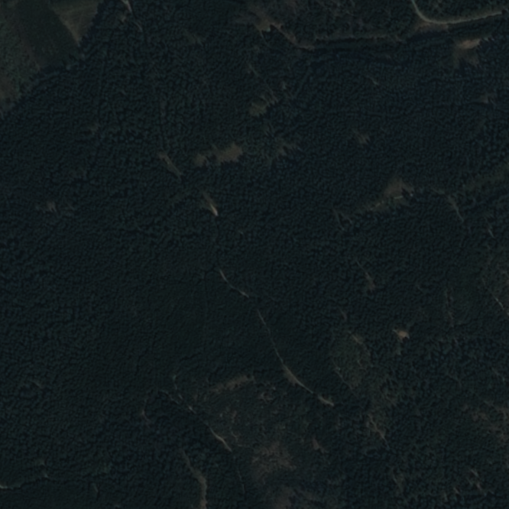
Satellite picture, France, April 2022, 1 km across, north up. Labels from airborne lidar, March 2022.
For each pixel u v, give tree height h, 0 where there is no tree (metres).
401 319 27
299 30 29
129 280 29
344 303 26
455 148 25
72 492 13
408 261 22
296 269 25
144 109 25
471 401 13
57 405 28
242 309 13
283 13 24
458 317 19
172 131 30
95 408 33
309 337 16
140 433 26
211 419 12
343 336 11
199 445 34
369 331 26
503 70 25
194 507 24
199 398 6
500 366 32
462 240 25
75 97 23
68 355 30
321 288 22
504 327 21
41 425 26
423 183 26
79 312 27
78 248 26
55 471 18
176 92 26
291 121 29
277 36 25
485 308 17
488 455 18
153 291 23
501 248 23
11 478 18
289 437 8
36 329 30
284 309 16
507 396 21
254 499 13
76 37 0
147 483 25
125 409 33
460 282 22
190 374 15
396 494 27
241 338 14
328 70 23
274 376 10
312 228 29
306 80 28
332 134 27
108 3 8
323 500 24
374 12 16
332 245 26
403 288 27
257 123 27
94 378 25
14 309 26
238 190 26
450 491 33
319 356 15
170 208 22
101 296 27
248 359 17
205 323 14
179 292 19
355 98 26
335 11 18
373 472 29
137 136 23
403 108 28
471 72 21
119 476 27
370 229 26
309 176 28
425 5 12
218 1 30
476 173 29
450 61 26
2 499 15
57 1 30
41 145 25
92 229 24
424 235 23
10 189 28
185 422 28
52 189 22
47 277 25
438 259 25
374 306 28
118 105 28
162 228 27
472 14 27
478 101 25
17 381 32
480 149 27
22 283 23
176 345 17
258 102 29
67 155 25
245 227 28
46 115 21
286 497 0
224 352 15
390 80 30
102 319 31
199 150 26
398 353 29
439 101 24
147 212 28
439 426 23
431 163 24
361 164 31
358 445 14
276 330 13
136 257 27
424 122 25
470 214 25
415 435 27
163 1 8
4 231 25
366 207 27
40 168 26
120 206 26
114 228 26
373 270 26
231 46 30
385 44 7
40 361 28
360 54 12
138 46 29
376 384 10
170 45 32
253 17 27
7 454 21
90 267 25
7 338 27
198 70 31
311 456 7
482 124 29
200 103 31
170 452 36
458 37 12
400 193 0
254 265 23
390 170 25
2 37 12
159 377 25
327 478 6
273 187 26
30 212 26
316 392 10
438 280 23
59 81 21
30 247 27
